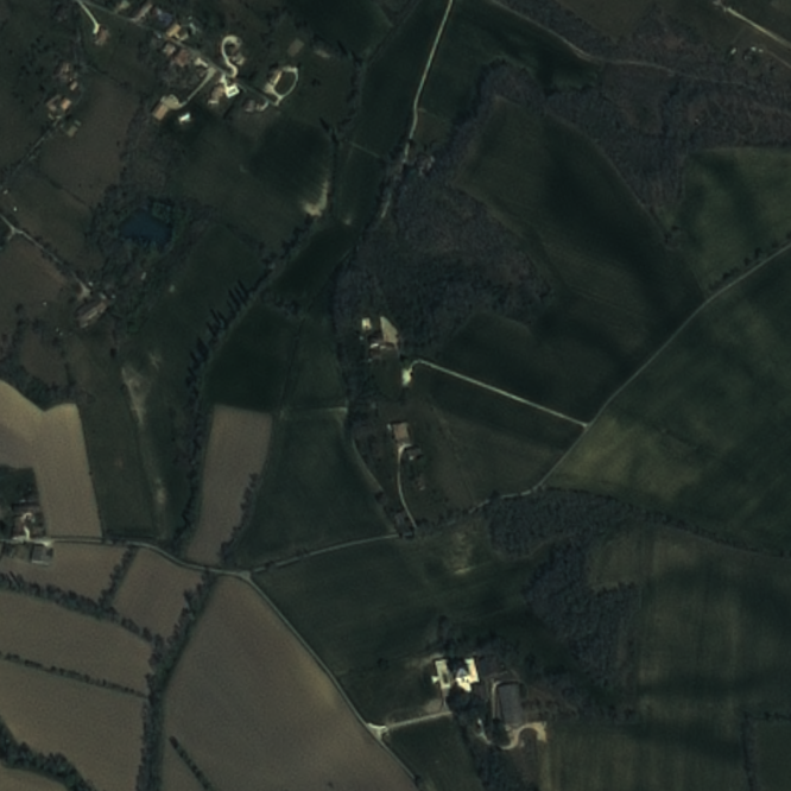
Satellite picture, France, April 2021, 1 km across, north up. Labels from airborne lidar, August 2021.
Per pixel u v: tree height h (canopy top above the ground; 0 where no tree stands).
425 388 0
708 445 0
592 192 0
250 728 0
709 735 0
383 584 0
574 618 19
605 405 0
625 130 15
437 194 16
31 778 0
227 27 19
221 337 17
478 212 14
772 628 0
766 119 7
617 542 0
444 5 0
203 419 14
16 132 0
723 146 12
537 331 0
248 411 0
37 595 14
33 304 0
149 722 18
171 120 0
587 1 0
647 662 0
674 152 18
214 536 0
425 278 7
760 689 0
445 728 0
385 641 0
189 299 0
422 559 0
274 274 16
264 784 0
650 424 0
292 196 0
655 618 0
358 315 12
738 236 0
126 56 0
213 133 0
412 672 0
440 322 16
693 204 0
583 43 14
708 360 0
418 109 0
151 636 15
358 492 0
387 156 0
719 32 0
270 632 0
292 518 0
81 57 14
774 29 0
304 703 0
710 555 0
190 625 14
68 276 13
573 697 19
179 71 10
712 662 0
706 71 18
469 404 0
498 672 10
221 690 0
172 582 0
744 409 0
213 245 0
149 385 0
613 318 0
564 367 0
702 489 0
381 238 9
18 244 0
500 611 0
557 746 0
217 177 0
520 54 0
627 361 0
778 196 0
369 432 18
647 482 0
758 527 0
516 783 9
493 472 0
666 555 0
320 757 0
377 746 0
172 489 0
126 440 0
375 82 0
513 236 11
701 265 0
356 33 0
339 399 0
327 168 0
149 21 8
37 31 0
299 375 0
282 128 0
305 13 0
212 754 0
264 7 0
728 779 0
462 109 0
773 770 0
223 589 0
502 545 21
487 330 0
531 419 0
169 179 7
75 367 0
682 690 0
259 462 0
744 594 0
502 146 0
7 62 0
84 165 0
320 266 0
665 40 7
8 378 18
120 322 10
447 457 0
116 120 0
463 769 0
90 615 31
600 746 0
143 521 0
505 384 0
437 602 0
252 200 0
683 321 0
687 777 0
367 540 0
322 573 0
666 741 0
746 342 0
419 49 0
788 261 0
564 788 0
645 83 0
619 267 0
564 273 0
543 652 0
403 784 0
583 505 12
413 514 0
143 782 14
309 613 0
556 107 17
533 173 0
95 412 0
